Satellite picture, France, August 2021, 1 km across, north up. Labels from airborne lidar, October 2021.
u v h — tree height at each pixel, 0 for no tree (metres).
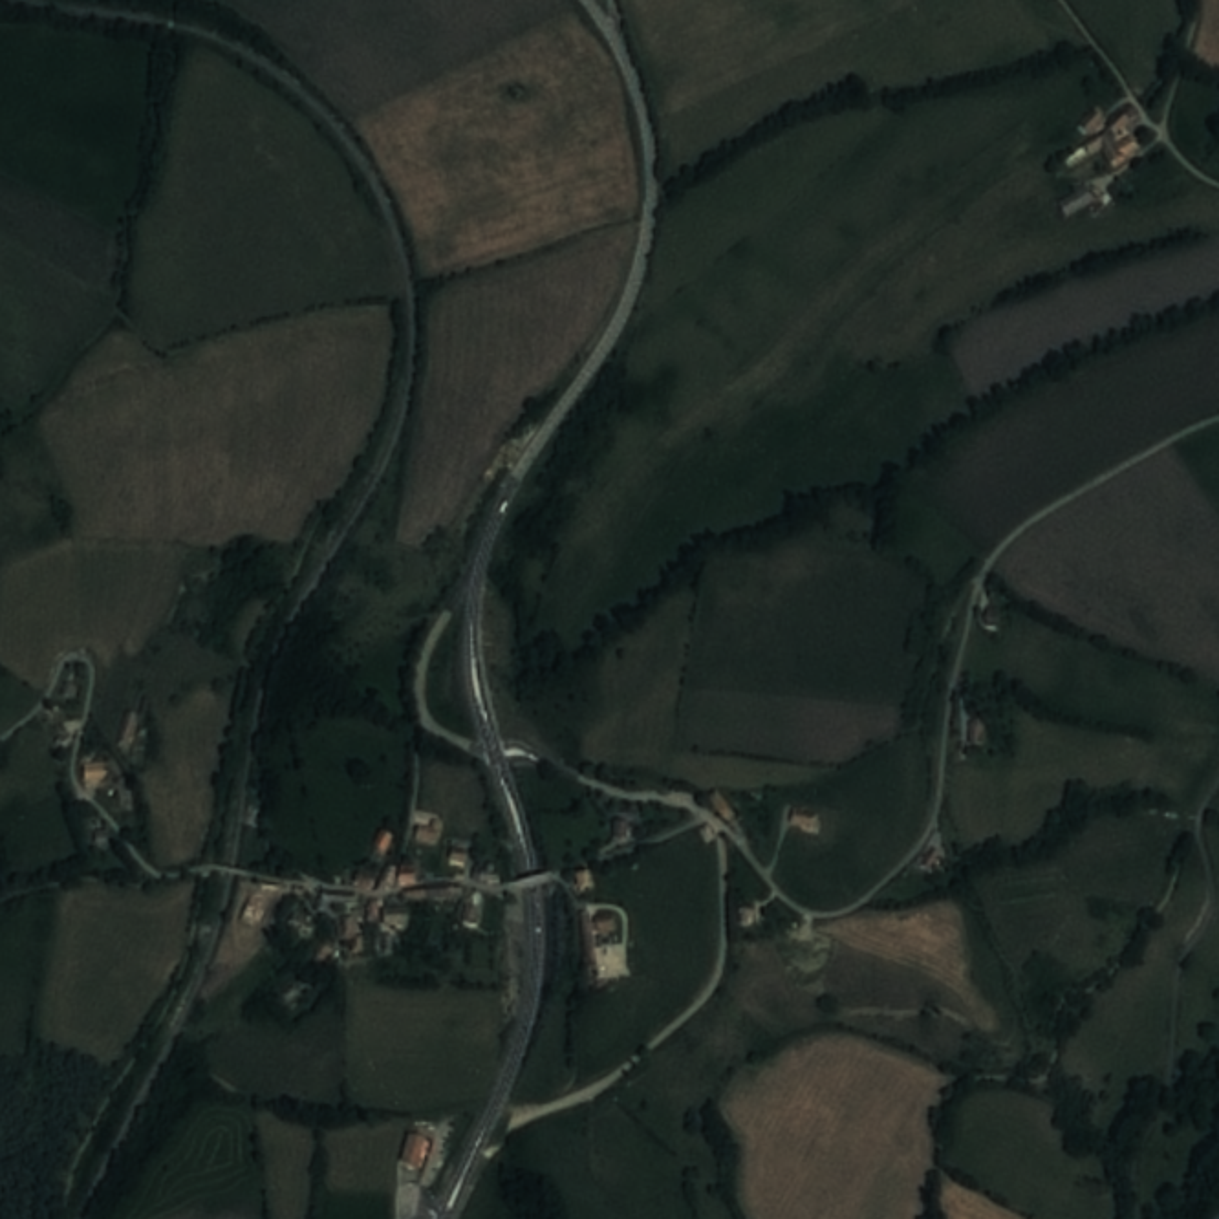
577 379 0
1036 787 0
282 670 19
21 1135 9
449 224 0
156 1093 15
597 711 0
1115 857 0
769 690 0
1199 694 0
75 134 0
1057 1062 7
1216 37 0
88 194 0
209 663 0
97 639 0
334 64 0
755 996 0
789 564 0
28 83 0
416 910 6
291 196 0
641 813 9
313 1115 18
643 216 0
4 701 0
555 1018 0
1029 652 0
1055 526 0
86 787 0
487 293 0
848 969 0
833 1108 0
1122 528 0
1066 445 0
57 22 13
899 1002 0
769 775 0
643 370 0
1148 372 0
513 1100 0
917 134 0
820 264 0
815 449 0
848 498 12
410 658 13
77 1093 8
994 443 0
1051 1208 0
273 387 0
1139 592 0
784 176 0
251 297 0
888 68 0
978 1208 0
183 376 0
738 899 9
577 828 0
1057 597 0
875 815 0
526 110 0
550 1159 0
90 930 0
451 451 0
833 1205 0
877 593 0
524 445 0
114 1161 12
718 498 0
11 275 0
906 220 0
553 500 13
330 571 8
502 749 0
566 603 0
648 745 0
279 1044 0
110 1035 0
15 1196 15
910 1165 0
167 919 0
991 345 0
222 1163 0
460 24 0
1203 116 0
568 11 0
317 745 0
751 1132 0
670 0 0
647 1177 0
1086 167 0
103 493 0
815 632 0
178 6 10
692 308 0
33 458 0
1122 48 0
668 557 0
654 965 0
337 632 12
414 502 0
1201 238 8
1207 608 0
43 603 0
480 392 0
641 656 0
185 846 0
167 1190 0
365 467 9
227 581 14
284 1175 0
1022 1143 0
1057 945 0
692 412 0
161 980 0
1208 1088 20
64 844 0
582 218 0
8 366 0
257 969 0
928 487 0
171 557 0
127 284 9
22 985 0
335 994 13
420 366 11
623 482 0
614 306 0
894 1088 0
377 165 0
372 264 0
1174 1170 0
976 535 0
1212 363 0
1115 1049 0
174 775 0
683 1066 0
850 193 0
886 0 0
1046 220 0
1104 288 0
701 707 0
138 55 0
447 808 0
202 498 0
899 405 0
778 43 0
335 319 0
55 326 0
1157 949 0
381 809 0
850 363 0
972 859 9
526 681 15
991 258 0
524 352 0
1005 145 0
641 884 0
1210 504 0
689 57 0
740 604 0
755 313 0
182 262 0
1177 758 0
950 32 0
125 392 0
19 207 0
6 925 0
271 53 11
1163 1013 0
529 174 0
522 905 0
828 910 0
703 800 14
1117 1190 10
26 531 0
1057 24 0
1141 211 0
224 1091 8
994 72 8
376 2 0
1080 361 18
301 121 0
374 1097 0
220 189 0
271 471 0
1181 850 13
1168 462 0
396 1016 0
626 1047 0
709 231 0
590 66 0
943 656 7
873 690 0
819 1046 0
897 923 0
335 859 0
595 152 0
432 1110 0
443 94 0
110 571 0
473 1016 0
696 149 0
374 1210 0
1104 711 0
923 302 0
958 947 0
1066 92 0
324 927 11
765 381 0
